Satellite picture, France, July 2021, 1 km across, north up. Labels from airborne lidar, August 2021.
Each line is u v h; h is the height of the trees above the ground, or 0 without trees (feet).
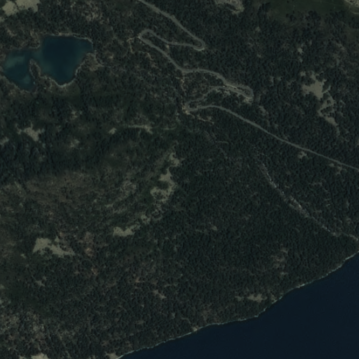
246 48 43
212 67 43
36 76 33
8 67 0
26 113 43
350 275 0
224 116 25
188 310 66
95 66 0
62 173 23
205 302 51
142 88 24
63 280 55
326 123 51
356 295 0
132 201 31
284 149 48
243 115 23
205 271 44
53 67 0
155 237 34
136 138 36
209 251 58
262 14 37
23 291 20
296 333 0
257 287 48
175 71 31
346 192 40
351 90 43
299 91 43
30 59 0
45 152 30
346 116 60
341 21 25
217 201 45
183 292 46
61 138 29
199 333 0
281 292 42
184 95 36
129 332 38
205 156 29
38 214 25
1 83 20
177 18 25
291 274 42
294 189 55
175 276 61
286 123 41
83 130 0
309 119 46
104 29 28
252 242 33
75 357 52
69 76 0
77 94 0
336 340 0
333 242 32
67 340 33
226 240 49
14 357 44
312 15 26
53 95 21
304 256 58
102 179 25
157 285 37
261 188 38
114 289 69
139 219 49
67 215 34
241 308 47
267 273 48
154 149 31
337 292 0
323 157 31
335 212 53
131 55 26
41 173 26
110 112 21
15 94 0
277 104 54
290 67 36
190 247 29
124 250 49
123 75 20
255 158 25
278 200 52
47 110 0
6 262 42
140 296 36
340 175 32
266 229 43
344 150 61
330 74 27
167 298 55
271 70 31
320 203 51
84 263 62
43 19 26
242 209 30
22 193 0
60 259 45
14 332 42
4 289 0
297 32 30
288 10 0
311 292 0
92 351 70
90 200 23
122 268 45
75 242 48
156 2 31
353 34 0
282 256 34
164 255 28
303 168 51
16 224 35
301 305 0
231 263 26
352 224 63
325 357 0
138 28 51
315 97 29
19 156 32
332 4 0
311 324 0
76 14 36
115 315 48
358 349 0
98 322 61
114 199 23
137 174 50
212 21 43
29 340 41
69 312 39
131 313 54
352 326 0
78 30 28
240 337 0
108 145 24
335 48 20
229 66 51
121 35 30
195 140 42
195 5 24
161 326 63
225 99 38
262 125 29
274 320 0
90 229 37
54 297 36
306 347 0
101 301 62
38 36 0
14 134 0
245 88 20
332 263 41
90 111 34
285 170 48
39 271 28
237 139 48
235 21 21
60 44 0
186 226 28
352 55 31
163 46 27
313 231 37
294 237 32
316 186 54
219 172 39
